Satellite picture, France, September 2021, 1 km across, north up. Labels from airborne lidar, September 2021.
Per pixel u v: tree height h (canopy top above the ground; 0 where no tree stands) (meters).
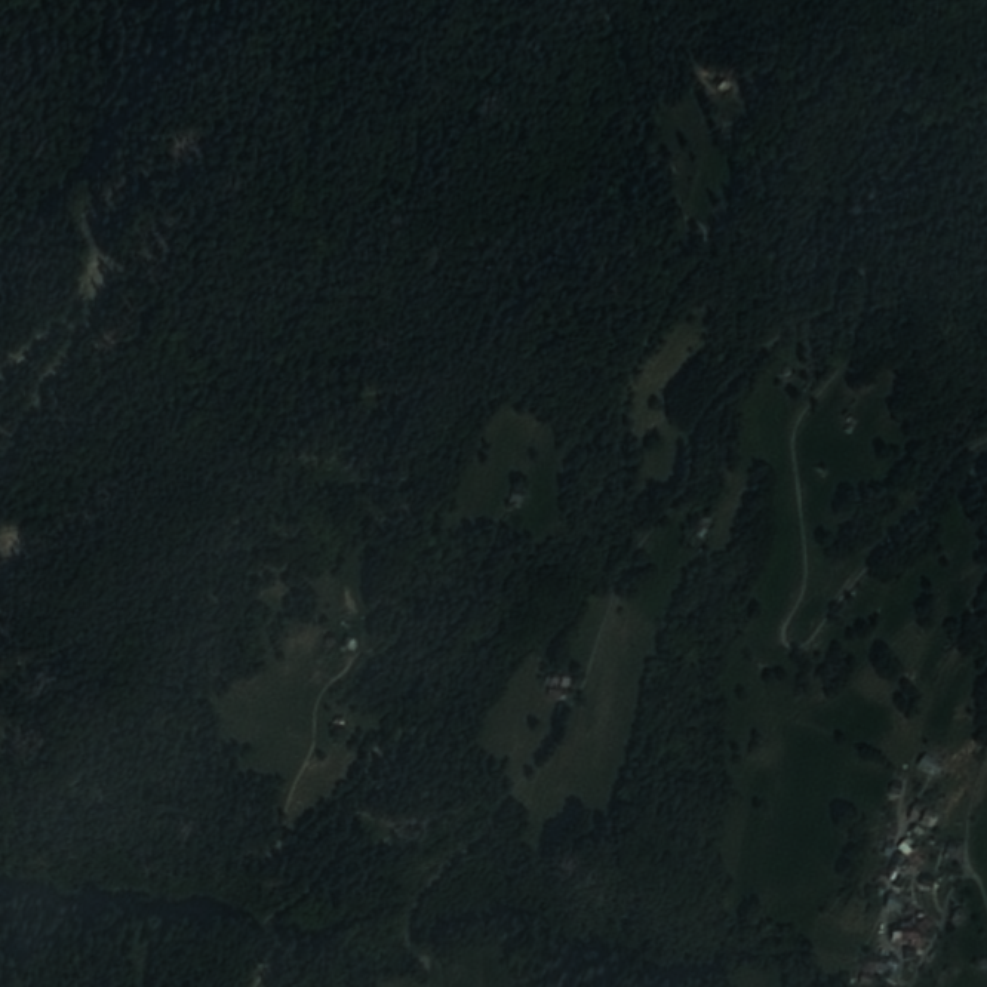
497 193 20
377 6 27
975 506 18
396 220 23
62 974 23
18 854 34
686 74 22
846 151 26
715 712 19
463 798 21
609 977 24
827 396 0
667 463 0
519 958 25
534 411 25
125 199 7
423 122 18
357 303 16
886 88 27
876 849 6
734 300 17
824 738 0
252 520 27
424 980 21
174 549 23
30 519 18
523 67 22
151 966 16
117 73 38
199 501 26
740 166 16
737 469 17
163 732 32
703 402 23
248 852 26
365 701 25
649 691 14
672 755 11
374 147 21
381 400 15
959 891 7
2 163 22
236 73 23
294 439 18
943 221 27
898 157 23
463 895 12
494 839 22
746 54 27
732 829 0
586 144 25
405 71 26
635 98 13
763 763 0
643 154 19
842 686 17
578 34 19
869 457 0
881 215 25
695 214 0
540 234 34
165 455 21
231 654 20
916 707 14
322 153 28
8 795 22
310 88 21
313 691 0
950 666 0
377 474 12
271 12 24
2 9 17
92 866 18
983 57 29
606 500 23
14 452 23
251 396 19
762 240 32
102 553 28
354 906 21
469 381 31
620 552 21
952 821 0
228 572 28
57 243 24
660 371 0
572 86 16
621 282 29
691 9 26
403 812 28
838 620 19
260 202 25
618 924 13
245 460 13
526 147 20
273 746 0
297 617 11
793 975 14
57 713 32
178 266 28
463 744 21
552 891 42
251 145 32
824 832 0
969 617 14
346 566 14
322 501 20
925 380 20
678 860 25
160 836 26
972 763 0
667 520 15
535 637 22
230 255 29
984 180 19
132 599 25
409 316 21
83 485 22
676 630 14
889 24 25
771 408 0
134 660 29
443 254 22
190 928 24
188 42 30
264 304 26
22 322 18
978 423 20
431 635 20
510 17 24
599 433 18
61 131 24
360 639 0
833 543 13
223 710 0
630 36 26
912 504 0
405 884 17
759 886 0
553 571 28
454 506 19
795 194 30
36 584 15
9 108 25
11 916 25
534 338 24
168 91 23
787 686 0
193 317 34
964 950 0
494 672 22
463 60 31
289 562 10
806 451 0
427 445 25
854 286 20
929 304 20
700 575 17
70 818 28
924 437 21
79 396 30
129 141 21
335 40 13
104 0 16
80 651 22
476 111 26
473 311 28
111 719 32
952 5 21
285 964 20
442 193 22
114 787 31
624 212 21
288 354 26
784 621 0
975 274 21
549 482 0
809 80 27
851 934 0
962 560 0
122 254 21
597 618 0
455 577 24
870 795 0
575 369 24
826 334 20
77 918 7
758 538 23
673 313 22
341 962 18
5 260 31
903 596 0
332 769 0
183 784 32
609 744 0
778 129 20
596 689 0
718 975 19
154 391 17
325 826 12
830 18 29
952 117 26
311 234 24
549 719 0
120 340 21
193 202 30
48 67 35
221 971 24
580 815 24
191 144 12
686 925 23
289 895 13
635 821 21
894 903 0
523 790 0
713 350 14
